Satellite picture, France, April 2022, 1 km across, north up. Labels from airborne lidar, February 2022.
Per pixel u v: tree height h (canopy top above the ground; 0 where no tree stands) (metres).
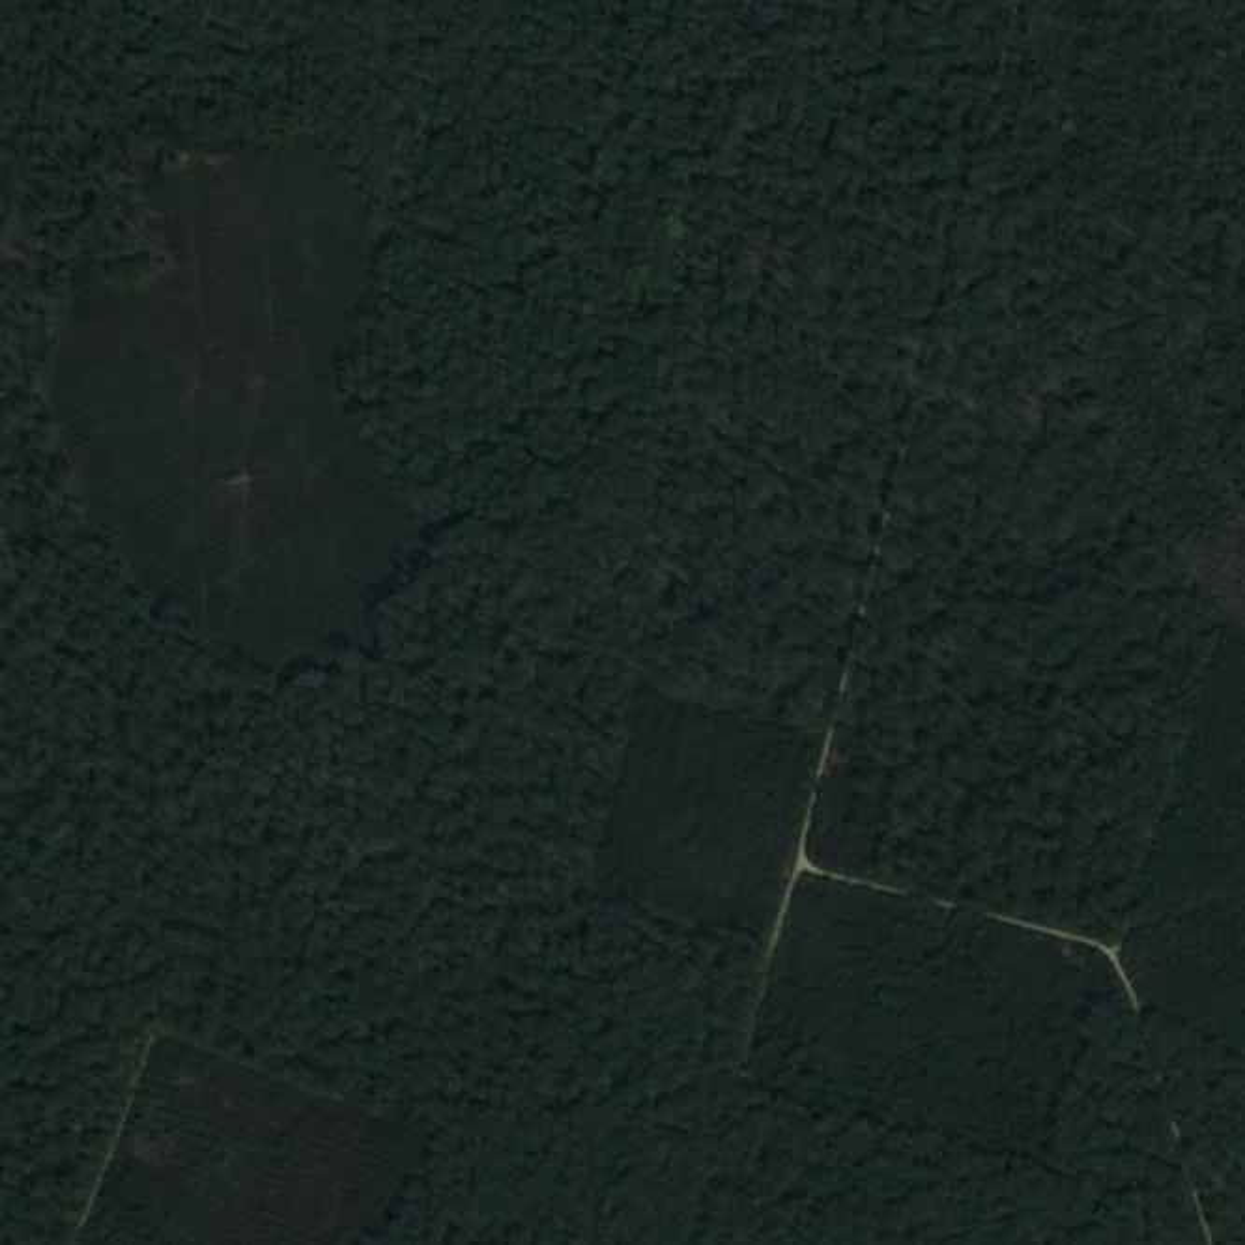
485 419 21
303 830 27
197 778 30
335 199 0
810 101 27
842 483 27
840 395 25
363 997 25
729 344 28
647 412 18
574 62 25
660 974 29
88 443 0
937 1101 7
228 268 0
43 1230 27
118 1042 8
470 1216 26
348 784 16
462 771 29
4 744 28
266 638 0
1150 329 0
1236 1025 10
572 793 27
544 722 26
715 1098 21
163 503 0
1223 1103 25
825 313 27
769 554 25
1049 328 26
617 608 26
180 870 23
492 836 26
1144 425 0
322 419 0
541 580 26
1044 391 28
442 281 22
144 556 0
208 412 0
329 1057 26
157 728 30
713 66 26
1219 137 23
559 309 21
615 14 17
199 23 28
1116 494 22
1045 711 16
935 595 27
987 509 20
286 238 0
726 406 27
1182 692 8
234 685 27
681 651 25
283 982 23
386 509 0
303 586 0
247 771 26
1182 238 20
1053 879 22
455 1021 26
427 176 28
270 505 0
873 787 24
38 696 27
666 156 22
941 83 23
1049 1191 25
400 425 25
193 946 25
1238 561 0
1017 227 29
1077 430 26
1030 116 23
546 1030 24
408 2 25
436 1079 26
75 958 23
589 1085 23
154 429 0
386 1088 24
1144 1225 22
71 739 26
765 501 27
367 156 22
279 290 0
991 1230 23
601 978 22
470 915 24
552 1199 23
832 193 25
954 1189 25
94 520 0
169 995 28
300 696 24
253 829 24
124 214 32
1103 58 27
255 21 25
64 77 26
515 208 21
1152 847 24
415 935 25
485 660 25
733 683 27
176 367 0
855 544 26
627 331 21
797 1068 12
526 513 28
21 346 31
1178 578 11
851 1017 7
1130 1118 28
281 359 0
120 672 28
